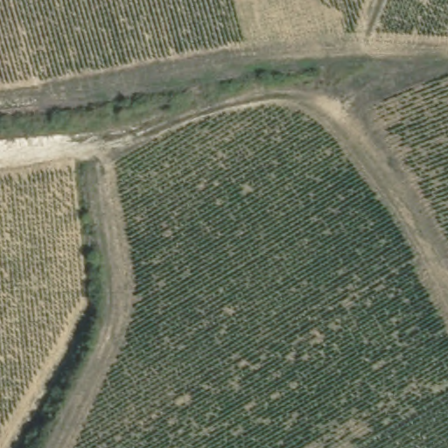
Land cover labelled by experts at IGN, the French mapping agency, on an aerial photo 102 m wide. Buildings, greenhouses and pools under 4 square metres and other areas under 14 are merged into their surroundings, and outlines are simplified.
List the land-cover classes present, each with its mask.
<instances>
[{"label":"vineyard","instance_id":"1","mask_svg":"<svg viewBox=\"0 0 448 448\"><path fill-rule=\"evenodd\" d=\"M222 51H234L238 56H255L261 65L266 61L311 58H345L362 54L374 58L420 54H443L444 58L448 56V0H0V89L42 86L59 80L82 79L89 75L119 72L135 66ZM376 110H387L388 115L401 114L399 122L387 126V131L390 135H399L402 147H409L404 163L408 164L420 180L418 185L423 196L429 199L430 206L434 208L437 222L448 231V72L430 77L427 84H415L409 93L402 96L388 101L376 100L373 103ZM124 154L114 163L117 192L121 199L126 238L129 243V257L135 275V296L138 294L142 299L133 303L131 322L126 327V345L121 346L115 364L110 366L107 378L101 383L100 392L94 397L93 408L84 422L75 448H448V322L437 317L429 292L420 283V278L413 268V250L404 240L401 229L395 224L387 206L381 205V201L376 199L371 187L362 180L355 166L343 157L339 143L325 131L322 124L303 121V112H294L292 108L276 105L206 117L203 121L192 122L185 128L171 131L154 142L143 143L142 147H126L122 149ZM79 161L75 156H68L0 168V448H10V443L21 430V425L30 420L33 409H37L38 399L45 392V381L51 378L54 367L63 359L75 324L87 306L82 289L86 271L84 255L80 252L82 233L79 220V191L75 182V164Z\"/></svg>","mask_w":448,"mask_h":448},{"label":"herbaceous vegetation","instance_id":"2","mask_svg":"<svg viewBox=\"0 0 448 448\"><path fill-rule=\"evenodd\" d=\"M322 75L304 89L292 86H261L259 82H255L240 94H234L217 103H208L205 94L210 93L212 87L219 86L220 80L236 79L245 70H255L261 65L255 56H238L234 51H222L135 66L119 72L89 75L82 79L59 80L42 86L0 89V112L14 114L28 110H47L54 105L77 107L87 105L91 101L112 100L117 94L126 96L157 91L189 93L191 108L180 114L170 115L168 110H157L156 114L138 119L129 126H110L100 128L94 133H73L70 136V140L77 143L73 145L68 156H75L79 161L98 157V161L105 168V177L98 182V198L103 213V233L107 238L108 262L112 271L114 308L101 322L96 343L91 352L87 353V359L82 362L77 380L68 390L65 402L59 406L54 429L47 437L44 448H75L84 422L93 408L94 397L100 392L101 383L107 378L110 366L115 364L121 346L126 345V327L131 322L133 303L142 299L138 294L135 296V275L129 257V243L126 238L121 199L117 192L114 163L124 154L122 149L126 147H142L143 143L154 142L171 131L185 128L192 122L203 121L206 117L276 105L292 108L294 112H303V121L322 124L325 131L339 143L343 157L355 166L362 180L371 187L376 199L381 201V205L387 206L395 224L401 229L404 240L413 250V268L420 278V283L429 292L437 317L448 322V231L437 222L434 208L430 206L429 199L423 196L418 185L420 180L408 164L404 163L409 147H402L399 135H390L387 131V126L399 122L401 114L388 115L387 110H376L373 103L376 100L388 101L402 96L409 93L415 84H427L430 77L448 72V56L444 58L443 54H420L374 58L362 54L345 58H311Z\"/></svg>","mask_w":448,"mask_h":448},{"label":"brushwood","instance_id":"3","mask_svg":"<svg viewBox=\"0 0 448 448\"><path fill-rule=\"evenodd\" d=\"M322 75L311 58L266 61L261 65L255 70H245L236 79L220 80L219 86L212 87L210 93L205 94L208 103H217L234 94H240L255 82H259L261 86H292L304 89ZM191 108L189 93L157 91L126 96L117 94L112 100L91 101L87 105L77 107L54 105L47 110H28L14 114L0 112V140H16L31 136H70L73 133H94L100 128L110 126H129L138 119L156 114L157 110H168L170 115L180 114ZM75 182L79 191V220L82 233L80 252L84 255L86 271L82 289L87 306L75 324L63 359L54 367L51 378L45 381V392L38 399L37 409H33L30 420L21 425V430L10 443V448H44L47 437L54 429L59 406L65 402L68 390L77 380L82 362L87 359V353L91 352L96 343L101 322L114 308L112 271L108 262L107 238L103 233V213L98 198V182L105 177V168L98 161V157L79 161L75 164Z\"/></svg>","mask_w":448,"mask_h":448},{"label":"pervious surface","instance_id":"4","mask_svg":"<svg viewBox=\"0 0 448 448\"><path fill-rule=\"evenodd\" d=\"M77 143L70 140V136H31L16 140H0V168L68 156L73 145Z\"/></svg>","mask_w":448,"mask_h":448}]
</instances>
